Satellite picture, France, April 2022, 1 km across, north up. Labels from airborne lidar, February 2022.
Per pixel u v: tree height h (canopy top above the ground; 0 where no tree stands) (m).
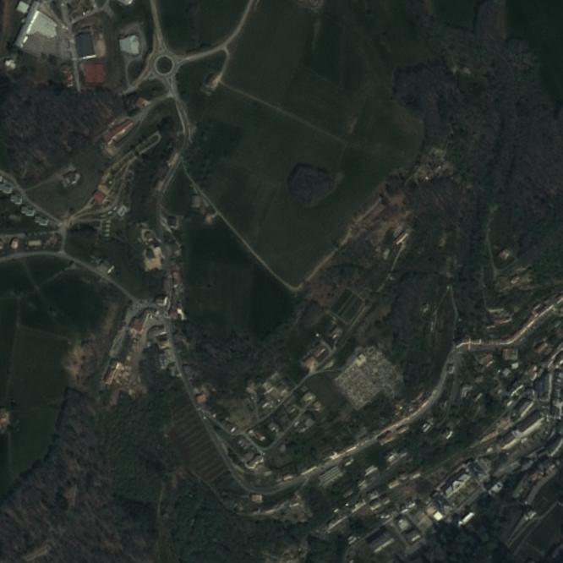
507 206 19
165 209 0
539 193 20
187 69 0
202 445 0
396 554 0
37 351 0
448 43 19
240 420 0
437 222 27
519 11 0
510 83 26
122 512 28
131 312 0
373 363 0
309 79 0
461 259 22
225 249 0
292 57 0
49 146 32
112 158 0
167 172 0
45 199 0
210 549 21
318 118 0
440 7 0
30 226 0
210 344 21
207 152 0
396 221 30
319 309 26
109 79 0
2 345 0
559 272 22
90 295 0
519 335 0
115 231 0
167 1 0
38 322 0
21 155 31
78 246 0
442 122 32
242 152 0
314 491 8
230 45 0
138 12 0
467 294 17
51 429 0
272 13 0
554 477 0
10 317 0
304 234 0
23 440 0
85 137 24
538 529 0
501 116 20
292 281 0
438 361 0
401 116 0
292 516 0
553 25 0
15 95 26
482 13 23
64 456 30
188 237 0
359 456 0
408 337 27
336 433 0
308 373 0
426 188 31
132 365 0
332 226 0
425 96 33
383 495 0
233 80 0
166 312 0
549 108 13
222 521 18
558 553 0
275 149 0
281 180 0
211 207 0
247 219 0
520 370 14
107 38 0
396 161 0
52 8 0
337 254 8
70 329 0
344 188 0
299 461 22
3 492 0
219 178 0
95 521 31
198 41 0
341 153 0
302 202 17
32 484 31
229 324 0
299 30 0
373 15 12
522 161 28
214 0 0
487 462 0
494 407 17
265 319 0
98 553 8
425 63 0
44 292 0
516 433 0
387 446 0
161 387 22
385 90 0
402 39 0
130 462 11
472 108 29
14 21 0
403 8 0
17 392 0
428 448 21
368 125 0
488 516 0
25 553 28
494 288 7
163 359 0
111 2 0
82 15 0
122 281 0
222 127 0
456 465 0
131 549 39
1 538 35
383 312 0
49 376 0
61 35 0
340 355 0
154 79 0
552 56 0
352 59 0
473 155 11
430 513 0
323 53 0
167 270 0
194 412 0
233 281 0
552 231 22
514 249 0
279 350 23
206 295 0
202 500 14
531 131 32
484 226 20
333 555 31
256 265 0
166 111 0
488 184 17
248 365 20
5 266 0
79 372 23
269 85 0
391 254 8
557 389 0
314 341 0
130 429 8
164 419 15
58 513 29
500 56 29
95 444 38
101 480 39
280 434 0
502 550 0
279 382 0
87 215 0
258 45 0
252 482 0
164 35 0
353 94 0
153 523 25
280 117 0
